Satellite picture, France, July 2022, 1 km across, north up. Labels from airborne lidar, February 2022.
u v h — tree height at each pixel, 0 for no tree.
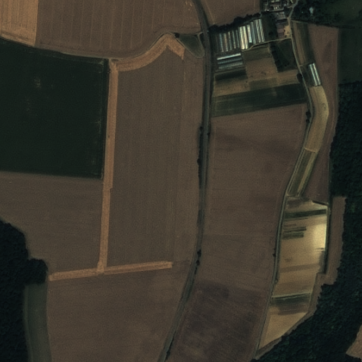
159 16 0
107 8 0
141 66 0
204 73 0
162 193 0
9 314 22
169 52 0
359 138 17
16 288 21
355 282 18
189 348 0
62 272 0
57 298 0
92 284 0
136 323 0
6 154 0
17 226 0
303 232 0
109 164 0
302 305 0
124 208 0
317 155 0
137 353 0
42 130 0
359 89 16
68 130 0
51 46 0
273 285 0
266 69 0
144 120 0
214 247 0
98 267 0
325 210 0
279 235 0
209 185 0
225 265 0
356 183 12
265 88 0
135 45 0
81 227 0
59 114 0
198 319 0
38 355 0
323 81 0
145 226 0
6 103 0
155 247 0
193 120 0
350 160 16
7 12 0
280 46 0
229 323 0
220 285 0
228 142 0
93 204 0
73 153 0
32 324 0
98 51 0
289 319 0
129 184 0
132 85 0
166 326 0
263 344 0
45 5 0
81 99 0
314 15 11
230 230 0
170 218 0
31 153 0
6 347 22
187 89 0
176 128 0
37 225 0
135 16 0
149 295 0
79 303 0
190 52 0
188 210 0
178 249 0
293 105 0
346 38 0
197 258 0
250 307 0
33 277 22
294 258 0
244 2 0
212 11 0
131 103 0
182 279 0
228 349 0
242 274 0
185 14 0
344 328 20
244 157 0
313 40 0
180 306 0
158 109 0
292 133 0
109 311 0
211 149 0
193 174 0
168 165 0
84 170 0
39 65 0
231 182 0
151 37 0
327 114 0
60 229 0
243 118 0
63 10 0
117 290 0
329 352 17
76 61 0
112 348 0
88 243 0
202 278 0
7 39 0
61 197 0
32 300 0
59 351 0
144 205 0
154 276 0
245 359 0
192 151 0
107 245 0
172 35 0
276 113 0
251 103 0
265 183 0
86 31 0
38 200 0
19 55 0
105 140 0
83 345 0
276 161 0
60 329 0
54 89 0
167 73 0
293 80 0
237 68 0
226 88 0
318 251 0
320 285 0
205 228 0
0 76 0
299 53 0
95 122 0
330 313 14
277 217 0
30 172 0
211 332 0
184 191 0
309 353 19
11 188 0
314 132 0
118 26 0
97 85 0
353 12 0
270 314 0
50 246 0
